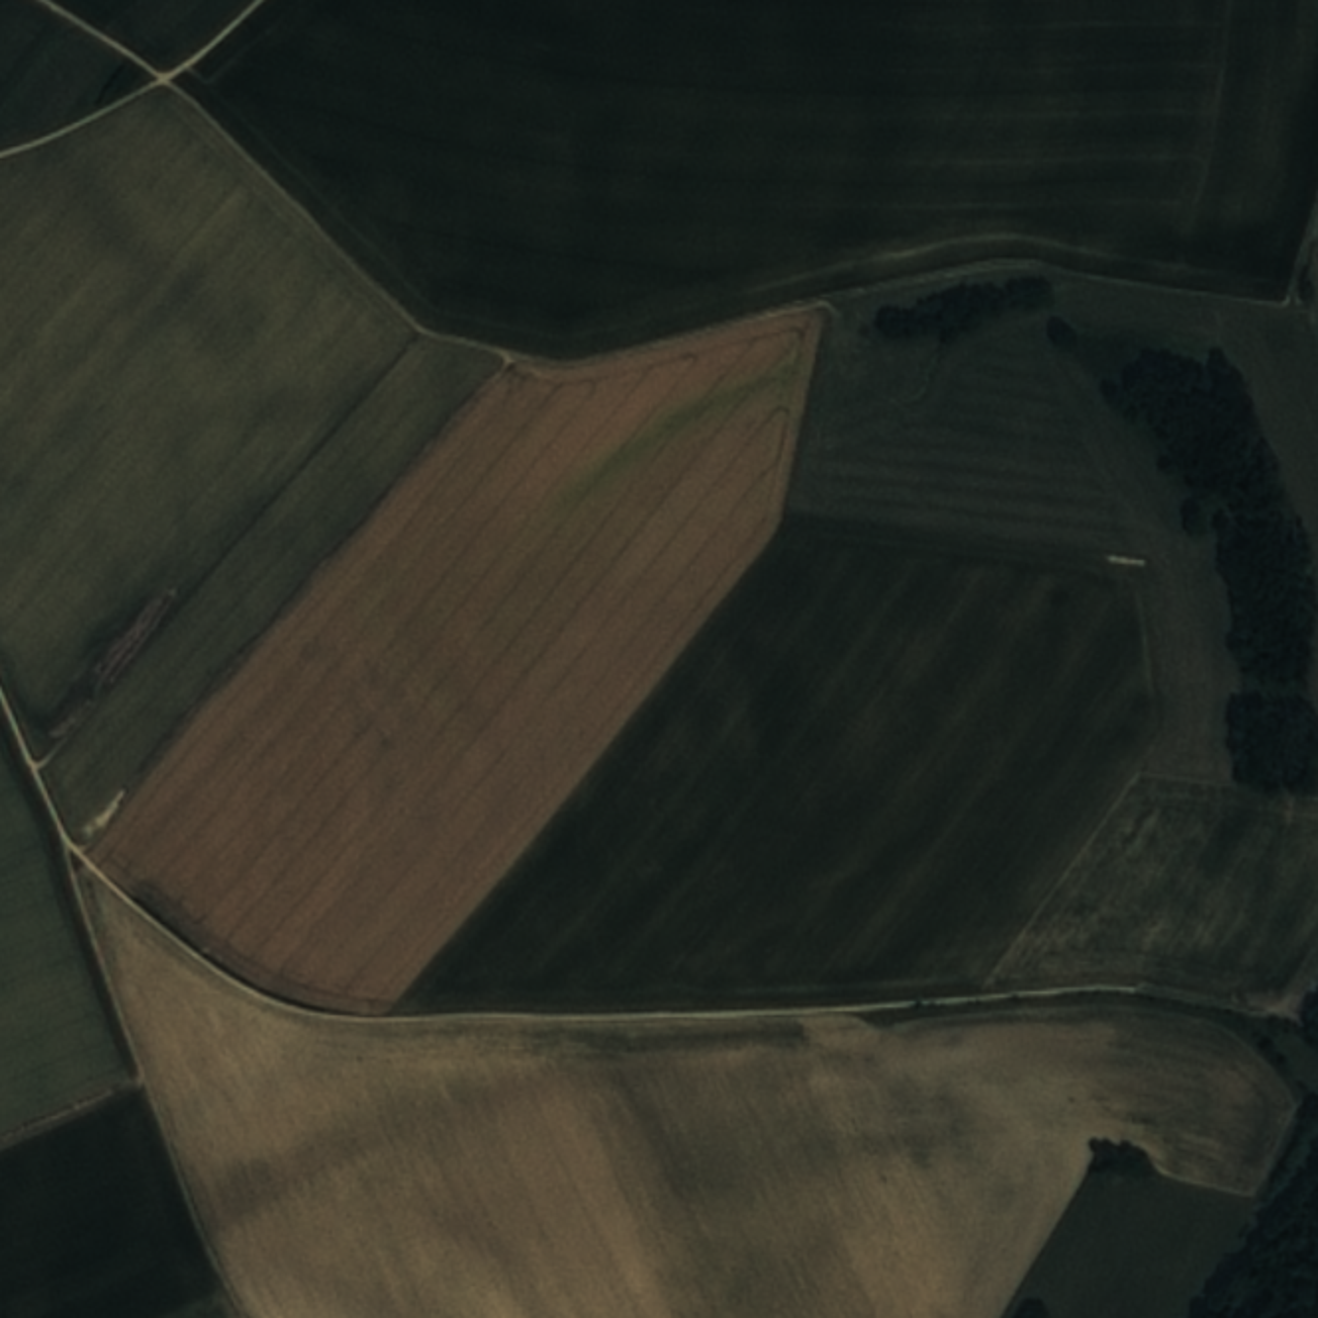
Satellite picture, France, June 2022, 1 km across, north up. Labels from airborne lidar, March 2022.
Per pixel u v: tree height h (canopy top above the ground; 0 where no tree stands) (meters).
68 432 0
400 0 0
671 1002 0
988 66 0
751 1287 0
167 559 0
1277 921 0
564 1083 0
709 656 0
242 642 0
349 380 0
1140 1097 0
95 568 0
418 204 0
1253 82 0
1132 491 0
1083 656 0
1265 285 0
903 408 0
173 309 0
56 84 0
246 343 0
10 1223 0
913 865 0
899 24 0
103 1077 0
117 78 5
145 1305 0
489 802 0
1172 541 0
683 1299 0
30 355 0
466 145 0
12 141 0
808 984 0
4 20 0
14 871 0
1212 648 0
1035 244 0
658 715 0
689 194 0
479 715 0
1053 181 0
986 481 0
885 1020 0
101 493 0
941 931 0
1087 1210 0
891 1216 0
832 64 0
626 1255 0
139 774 0
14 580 0
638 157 0
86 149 0
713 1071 0
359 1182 0
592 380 0
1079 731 0
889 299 0
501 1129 0
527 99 0
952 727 0
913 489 0
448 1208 0
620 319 0
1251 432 27
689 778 0
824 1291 0
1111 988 0
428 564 0
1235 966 0
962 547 0
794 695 0
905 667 0
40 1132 0
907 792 0
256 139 0
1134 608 0
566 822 0
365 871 0
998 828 0
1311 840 0
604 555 0
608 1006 0
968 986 0
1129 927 0
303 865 0
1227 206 0
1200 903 0
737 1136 0
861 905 0
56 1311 0
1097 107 0
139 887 0
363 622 0
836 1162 0
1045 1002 0
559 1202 0
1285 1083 0
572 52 0
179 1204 0
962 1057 0
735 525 0
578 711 0
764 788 0
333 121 0
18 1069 0
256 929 0
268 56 0
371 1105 0
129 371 0
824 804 0
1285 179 0
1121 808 0
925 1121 0
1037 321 0
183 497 0
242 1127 0
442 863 0
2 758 0
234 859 0
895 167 0
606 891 0
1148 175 0
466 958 0
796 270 0
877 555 0
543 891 0
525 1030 0
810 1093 0
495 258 0
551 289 0
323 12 0
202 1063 0
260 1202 0
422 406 0
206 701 0
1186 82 0
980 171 0
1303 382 0
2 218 0
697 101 0
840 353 0
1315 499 0
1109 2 0
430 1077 0
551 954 0
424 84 0
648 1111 0
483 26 0
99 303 0
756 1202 0
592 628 0
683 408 0
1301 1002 0
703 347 0
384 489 0
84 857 0
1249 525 21
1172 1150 0
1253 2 0
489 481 0
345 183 0
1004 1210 0
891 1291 0
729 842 0
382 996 0
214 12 0
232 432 0
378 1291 0
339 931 0
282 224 0
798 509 0
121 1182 0
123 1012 0
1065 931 0
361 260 0
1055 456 0
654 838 0
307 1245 0
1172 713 0
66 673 0
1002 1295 0
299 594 0
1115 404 16
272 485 0
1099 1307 0
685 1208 0
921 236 0
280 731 0
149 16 0
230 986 0
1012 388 0
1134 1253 0
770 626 0
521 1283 0
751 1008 0
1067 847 0
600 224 0
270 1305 0
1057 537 0
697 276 0
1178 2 0
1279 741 19
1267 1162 0
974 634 0
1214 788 0
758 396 0
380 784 0
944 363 0
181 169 0
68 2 0
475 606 0
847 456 0
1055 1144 0
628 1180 0
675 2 0
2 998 0
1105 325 0
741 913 0
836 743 0
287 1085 0
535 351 0
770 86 0
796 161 0
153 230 0
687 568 0
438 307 0
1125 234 0
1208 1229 0
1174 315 0
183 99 0
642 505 0
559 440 0
